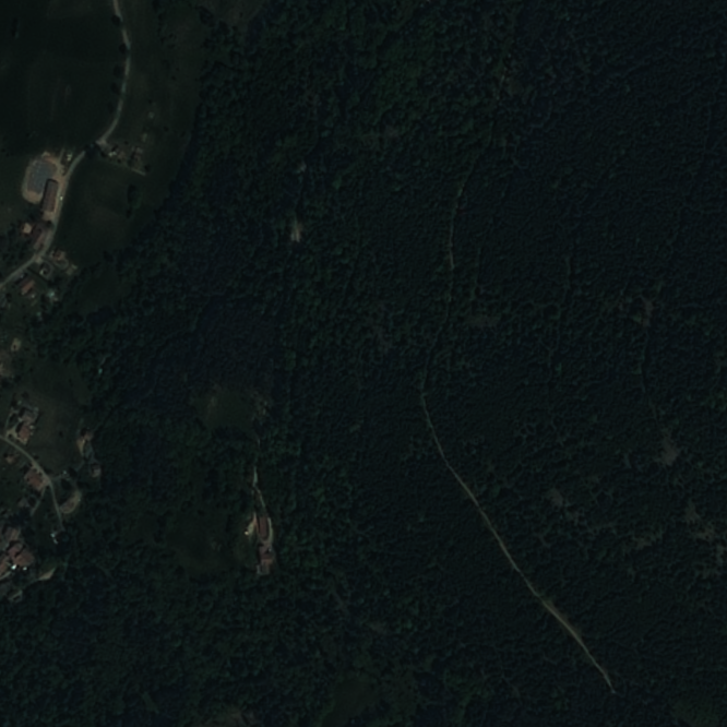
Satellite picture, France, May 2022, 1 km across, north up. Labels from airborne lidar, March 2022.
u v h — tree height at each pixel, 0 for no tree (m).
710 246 14
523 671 17
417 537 20
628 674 21
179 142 0
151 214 0
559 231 20
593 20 23
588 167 21
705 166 22
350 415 17
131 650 20
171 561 8
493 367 17
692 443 15
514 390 15
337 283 8
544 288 19
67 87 0
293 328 10
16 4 0
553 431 19
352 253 9
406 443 12
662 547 14
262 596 21
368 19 22
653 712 15
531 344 19
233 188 27
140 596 24
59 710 25
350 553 17
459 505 18
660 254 23
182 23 0
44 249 0
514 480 9
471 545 17
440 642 18
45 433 0
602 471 14
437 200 8
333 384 13
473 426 18
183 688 25
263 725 7
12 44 0
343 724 0
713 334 19
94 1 0
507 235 15
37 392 0
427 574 20
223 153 20
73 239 0
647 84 26
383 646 22
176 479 25
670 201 22
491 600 18
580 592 19
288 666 22
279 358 26
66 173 0
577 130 21
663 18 20
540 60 27
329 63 26
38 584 9
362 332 11
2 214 0
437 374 7
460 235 11
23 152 0
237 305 24
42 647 24
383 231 13
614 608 15
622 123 24
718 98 23
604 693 21
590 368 19
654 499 18
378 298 7
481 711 17
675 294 20
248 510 23
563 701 19
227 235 31
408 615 25
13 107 0
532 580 7
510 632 20
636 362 19
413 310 13
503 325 6
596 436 18
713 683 17
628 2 23
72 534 14
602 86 27
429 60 20
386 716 20
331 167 23
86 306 0
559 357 9
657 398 15
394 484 20
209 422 0
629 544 11
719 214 17
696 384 17
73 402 0
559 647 21
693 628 14
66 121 0
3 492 0
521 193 20
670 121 23
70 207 0
